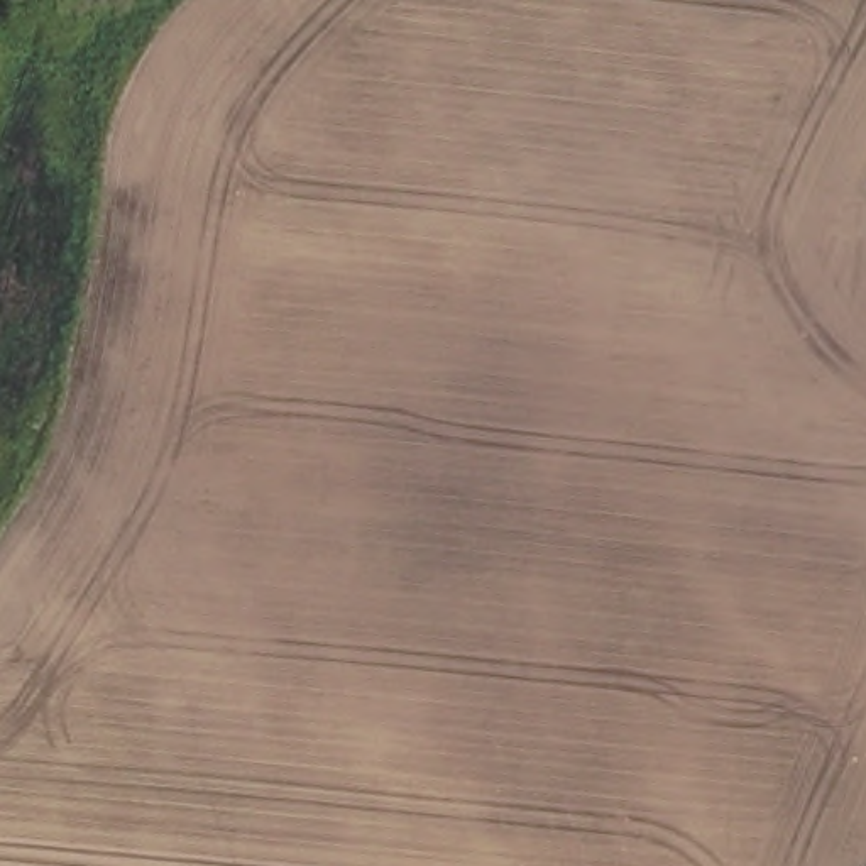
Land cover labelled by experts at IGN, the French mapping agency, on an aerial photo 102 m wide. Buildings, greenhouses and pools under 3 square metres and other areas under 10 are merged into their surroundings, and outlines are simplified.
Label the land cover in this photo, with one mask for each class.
<instances>
[{"label":"agricultural land","instance_id":"1","mask_svg":"<svg viewBox=\"0 0 866 866\"><path fill-rule=\"evenodd\" d=\"M105 200L91 271L85 284L81 328L71 348L64 413L58 419L47 460L34 477V487L20 501L14 521L0 531V866H866V0H183L159 24L156 37L145 44L115 101L101 152Z\"/></svg>","mask_w":866,"mask_h":866},{"label":"herbaceous vegetation","instance_id":"2","mask_svg":"<svg viewBox=\"0 0 866 866\"><path fill-rule=\"evenodd\" d=\"M183 0H0V531L14 521L20 501L34 487V477L47 460L58 419L64 413L71 348L81 328L85 284L91 271L105 200L101 152L115 101L145 44L156 37L159 24Z\"/></svg>","mask_w":866,"mask_h":866}]
</instances>
